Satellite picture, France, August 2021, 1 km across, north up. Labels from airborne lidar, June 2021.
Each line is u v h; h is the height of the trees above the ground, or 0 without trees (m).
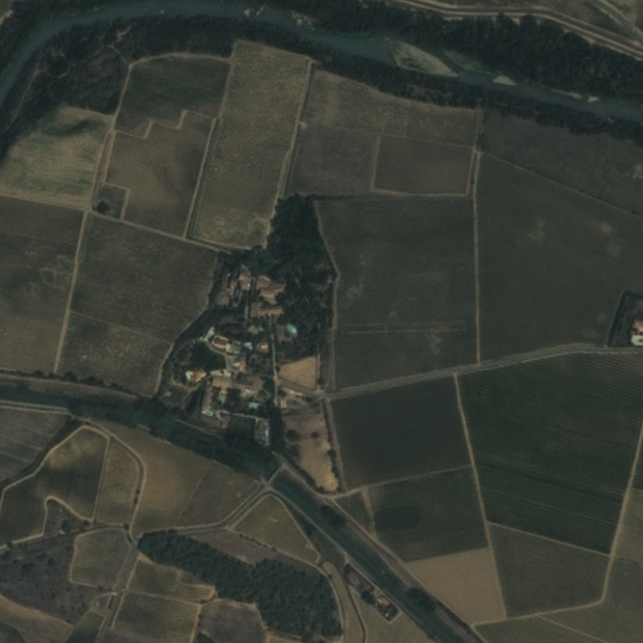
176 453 0
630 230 0
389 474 0
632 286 0
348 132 0
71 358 0
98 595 0
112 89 11
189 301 0
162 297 0
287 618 11
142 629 0
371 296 0
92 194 0
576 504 0
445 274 0
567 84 20
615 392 0
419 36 16
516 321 0
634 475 0
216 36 9
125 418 27
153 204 0
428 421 0
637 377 0
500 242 0
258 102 0
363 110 0
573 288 0
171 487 0
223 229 0
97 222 0
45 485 0
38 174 0
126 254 0
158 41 13
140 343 0
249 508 0
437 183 0
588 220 0
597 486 0
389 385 0
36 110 8
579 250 0
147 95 0
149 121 0
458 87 19
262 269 19
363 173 0
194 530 0
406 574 0
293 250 8
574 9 0
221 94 0
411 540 0
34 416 0
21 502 0
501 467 0
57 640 0
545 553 0
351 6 10
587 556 0
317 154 0
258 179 0
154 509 0
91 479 0
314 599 13
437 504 0
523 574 0
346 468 0
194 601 0
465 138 0
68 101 15
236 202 0
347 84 0
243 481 0
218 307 7
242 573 16
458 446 0
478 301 0
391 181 0
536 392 0
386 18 11
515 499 0
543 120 12
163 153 0
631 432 0
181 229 0
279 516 0
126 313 0
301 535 0
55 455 0
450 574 0
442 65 0
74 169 0
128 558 0
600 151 0
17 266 0
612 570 0
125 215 0
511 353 0
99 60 15
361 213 0
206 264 0
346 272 0
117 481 0
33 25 15
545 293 0
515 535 0
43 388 0
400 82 6
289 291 17
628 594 0
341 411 0
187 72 0
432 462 0
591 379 0
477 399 0
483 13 0
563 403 0
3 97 0
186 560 15
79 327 0
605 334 0
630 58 16
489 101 6
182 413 9
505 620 0
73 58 15
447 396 0
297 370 0
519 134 0
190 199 0
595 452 0
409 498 0
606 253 0
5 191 0
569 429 0
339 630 9
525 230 0
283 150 0
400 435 0
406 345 0
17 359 0
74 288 0
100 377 0
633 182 0
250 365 7
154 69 0
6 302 0
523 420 0
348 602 0
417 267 0
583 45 14
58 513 0
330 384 0
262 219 0
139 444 0
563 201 0
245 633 0
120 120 0
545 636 0
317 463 0
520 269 0
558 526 0
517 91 0
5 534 0
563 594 0
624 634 0
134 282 0
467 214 0
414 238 0
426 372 0
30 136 0
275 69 0
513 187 0
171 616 0
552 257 0
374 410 0
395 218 0
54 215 0
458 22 13
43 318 0
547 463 0
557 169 0
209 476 0
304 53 10
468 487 0
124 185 0
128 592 0
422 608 21
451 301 0
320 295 7
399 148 0
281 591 13
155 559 11
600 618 0
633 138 13
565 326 0
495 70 0
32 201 0
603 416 0
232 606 0
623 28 0
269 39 13
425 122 0
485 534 0
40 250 0
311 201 12
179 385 0
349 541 0
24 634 0
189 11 0
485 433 0
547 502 0
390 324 0
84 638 0
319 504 0
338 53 7
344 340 0
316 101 0
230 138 0
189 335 7
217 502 0
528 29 14
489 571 0
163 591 0
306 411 0
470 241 0
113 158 0
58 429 0
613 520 0
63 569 0
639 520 0
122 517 0
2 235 0
